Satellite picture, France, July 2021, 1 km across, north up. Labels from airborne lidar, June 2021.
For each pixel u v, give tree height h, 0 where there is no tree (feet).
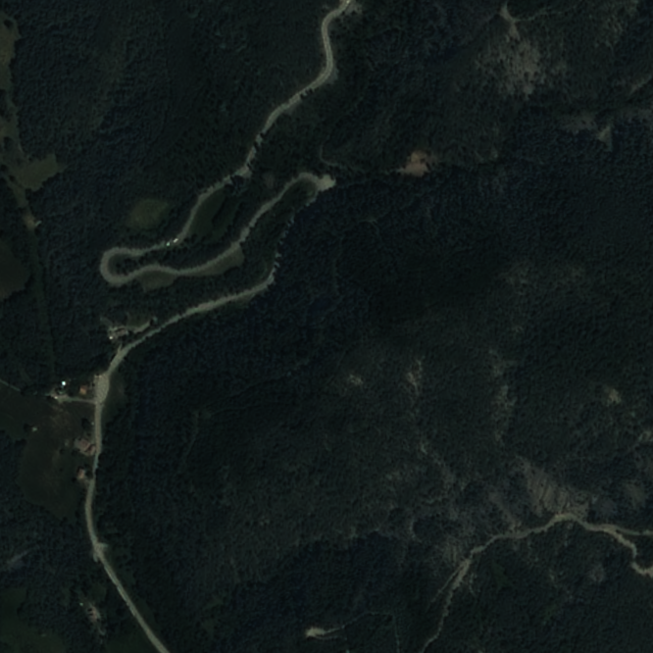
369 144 57
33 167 0
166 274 0
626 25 22
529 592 36
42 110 41
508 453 39
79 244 50
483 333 28
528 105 32
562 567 23
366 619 41
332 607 44
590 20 47
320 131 55
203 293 60
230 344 58
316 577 86
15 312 39
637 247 36
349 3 0
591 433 26
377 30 43
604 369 21
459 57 42
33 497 0
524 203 38
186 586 53
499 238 25
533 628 64
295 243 98
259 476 44
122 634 48
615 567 33
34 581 42
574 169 51
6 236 66
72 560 54
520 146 29
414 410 24
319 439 37
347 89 29
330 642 42
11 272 0
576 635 29
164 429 58
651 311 27
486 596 41
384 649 22
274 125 41
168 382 78
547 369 21
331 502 42
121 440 40
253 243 48
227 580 43
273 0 66
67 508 0
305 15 55
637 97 48
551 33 39
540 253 31
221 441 20
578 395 28
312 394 47
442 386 22
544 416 19
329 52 0
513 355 28
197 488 33
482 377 24
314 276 84
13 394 0
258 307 88
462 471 26
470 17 64
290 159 20
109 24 39
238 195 44
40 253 36
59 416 0
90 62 46
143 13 29
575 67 34
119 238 34
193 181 71
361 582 54
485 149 34
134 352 41
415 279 18
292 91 51
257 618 31
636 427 25
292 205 18
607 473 39
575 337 31
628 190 42
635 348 43
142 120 38
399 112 55
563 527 34
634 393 32
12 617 0
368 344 20
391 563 64
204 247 49
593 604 27
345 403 33
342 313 63
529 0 32
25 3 29
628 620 32
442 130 59
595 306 28
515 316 33
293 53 57
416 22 87
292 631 67
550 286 31
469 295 30
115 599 61
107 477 42
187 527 62
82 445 0
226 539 30
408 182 43
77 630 54
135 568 44
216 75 60
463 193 18
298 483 40
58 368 36
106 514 36
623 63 52
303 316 77
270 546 39
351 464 34
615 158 56
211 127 71
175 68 37
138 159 35
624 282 25
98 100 35
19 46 55
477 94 83
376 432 33
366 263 32
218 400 27
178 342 74
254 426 22
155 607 60
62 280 26
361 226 34
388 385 37
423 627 29
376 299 42
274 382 49
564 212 50
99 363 57
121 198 28
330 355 57
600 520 24
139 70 35
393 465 20
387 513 36
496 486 24
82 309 57
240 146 30
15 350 28
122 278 0
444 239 17
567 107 25
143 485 62
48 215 33
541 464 34
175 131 33
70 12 22
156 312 51
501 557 37
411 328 27
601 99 59
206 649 38
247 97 79
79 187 28
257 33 65
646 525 24
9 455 64
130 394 41
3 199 71
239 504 42
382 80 38
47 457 0
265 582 26
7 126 0
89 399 0
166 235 49
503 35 34
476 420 33
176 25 38
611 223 55
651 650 26
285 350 25
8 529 30
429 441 29
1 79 0
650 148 41
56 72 41
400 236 74
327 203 82
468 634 28
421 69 31
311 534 27
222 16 26
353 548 43
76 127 41
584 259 29
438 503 24
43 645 0
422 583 34
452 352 31
